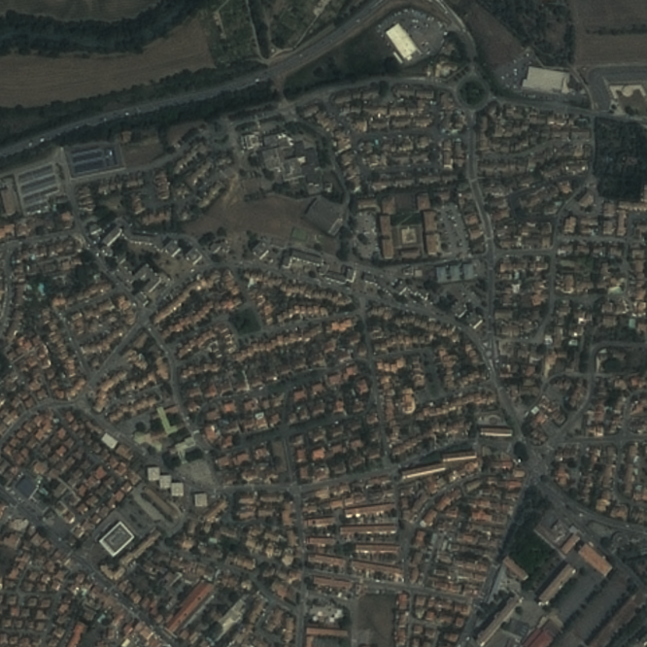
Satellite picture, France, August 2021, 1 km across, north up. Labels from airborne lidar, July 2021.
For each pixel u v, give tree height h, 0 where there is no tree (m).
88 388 0
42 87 0
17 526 0
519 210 9
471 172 0
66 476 7
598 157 8
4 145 8
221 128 9
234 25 0
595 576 0
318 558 0
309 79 0
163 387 5
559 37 0
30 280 11
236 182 0
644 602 0
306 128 6
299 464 6
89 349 0
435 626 0
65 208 14
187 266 0
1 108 9
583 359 8
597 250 0
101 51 10
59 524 0
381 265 10
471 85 7
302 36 0
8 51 11
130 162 0
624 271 0
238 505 6
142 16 9
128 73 0
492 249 0
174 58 0
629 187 10
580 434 7
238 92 8
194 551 10
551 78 0
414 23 0
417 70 0
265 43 16
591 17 0
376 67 0
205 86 6
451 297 10
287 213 0
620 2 0
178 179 11
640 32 7
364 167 0
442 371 8
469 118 0
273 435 7
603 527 0
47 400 0
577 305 8
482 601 0
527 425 6
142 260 8
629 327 6
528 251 0
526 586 12
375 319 7
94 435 7
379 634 0
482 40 0
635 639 7
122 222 0
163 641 0
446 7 0
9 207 0
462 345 8
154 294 0
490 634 0
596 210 0
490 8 6
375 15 0
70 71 0
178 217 8
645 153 13
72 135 13
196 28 0
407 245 0
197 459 11
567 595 8
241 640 0
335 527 6
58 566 6
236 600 10
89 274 11
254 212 0
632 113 15
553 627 0
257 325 0
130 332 0
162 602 8
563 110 0
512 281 6
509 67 0
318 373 8
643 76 0
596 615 0
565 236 0
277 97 14
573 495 9
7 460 13
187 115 16
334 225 0
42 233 10
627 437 0
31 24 7
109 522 0
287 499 7
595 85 0
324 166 7
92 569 0
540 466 0
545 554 11
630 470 0
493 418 0
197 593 0
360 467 6
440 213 0
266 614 0
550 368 0
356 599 0
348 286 8
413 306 0
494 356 0
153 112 6
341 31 0
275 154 0
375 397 0
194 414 6
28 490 0
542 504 12
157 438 0
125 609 0
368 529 0
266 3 9
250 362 6
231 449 6
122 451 0
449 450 8
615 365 13
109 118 0
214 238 9
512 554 7
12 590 8
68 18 0
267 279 0
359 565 0
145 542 0
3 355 10
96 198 5
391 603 0
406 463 0
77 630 0
